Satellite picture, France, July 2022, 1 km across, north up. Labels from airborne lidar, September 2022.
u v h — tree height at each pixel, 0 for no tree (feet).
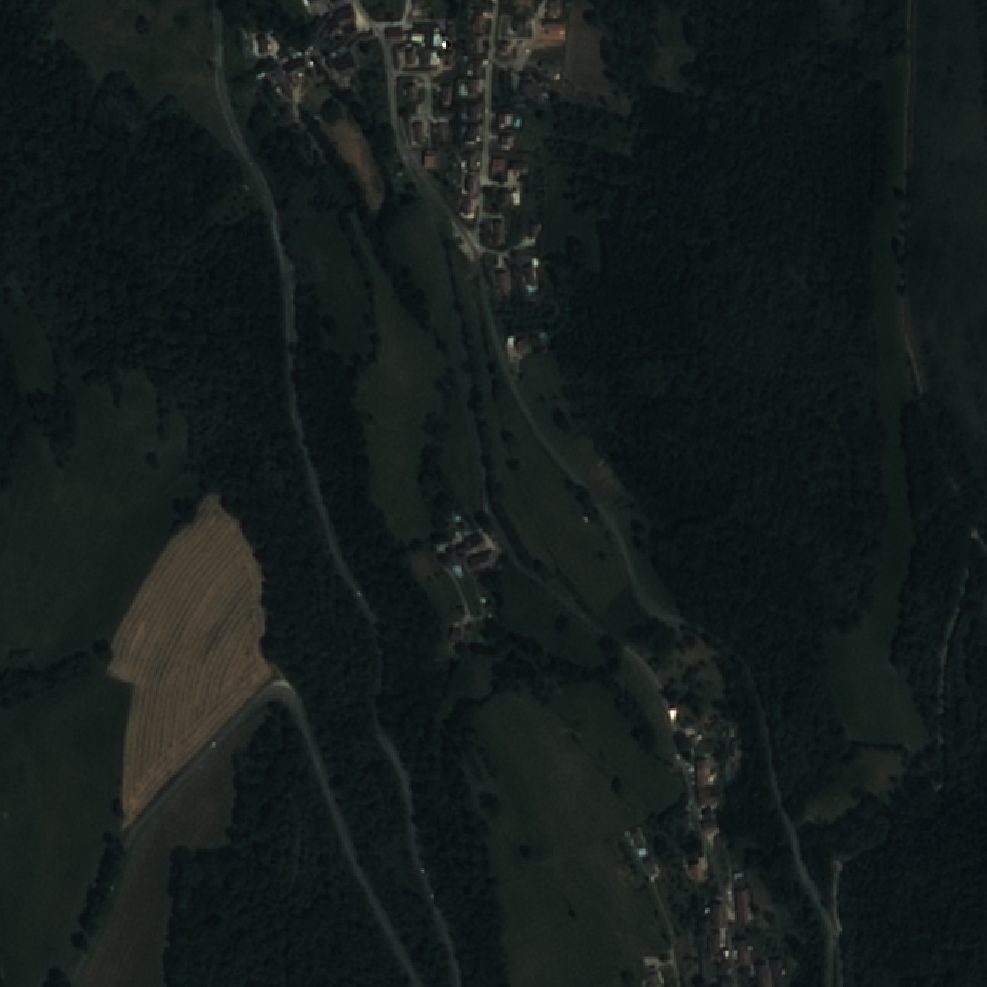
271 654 39
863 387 37
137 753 0
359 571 33
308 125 39
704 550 57
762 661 62
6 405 77
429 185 0
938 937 46
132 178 100
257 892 30
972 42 0
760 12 76
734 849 20
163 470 0
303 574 80
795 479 78
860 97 52
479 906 73
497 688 44
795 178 49
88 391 0
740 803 43
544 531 0
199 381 65
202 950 57
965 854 97
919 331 0
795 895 39
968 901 61
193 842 0
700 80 46
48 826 0
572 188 38
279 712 24
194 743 0
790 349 21
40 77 86
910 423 61
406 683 81
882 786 0
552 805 0
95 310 34
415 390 0
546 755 0
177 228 64
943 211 0
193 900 63
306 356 81
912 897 62
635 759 0
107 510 0
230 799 0
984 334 0
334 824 20
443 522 23
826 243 63
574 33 0
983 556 40
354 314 0
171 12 0
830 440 29
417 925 72
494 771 52
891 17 58
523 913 0
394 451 0
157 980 0
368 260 37
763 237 38
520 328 20
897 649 43
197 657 0
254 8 58
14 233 28
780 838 66
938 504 60
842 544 24
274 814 68
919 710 29
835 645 0
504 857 0
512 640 33
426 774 70
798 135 64
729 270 29
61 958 0
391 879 93
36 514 0
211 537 0
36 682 27
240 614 0
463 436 0
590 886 0
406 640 68
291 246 47
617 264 59
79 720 0
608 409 30
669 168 78
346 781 69
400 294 42
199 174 28
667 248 42
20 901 0
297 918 59
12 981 0
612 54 70
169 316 35
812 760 29
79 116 81
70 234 74
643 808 0
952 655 32
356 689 65
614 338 40
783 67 24
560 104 20
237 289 49
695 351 34
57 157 57
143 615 0
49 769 0
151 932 0
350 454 31
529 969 0
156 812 0
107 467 0
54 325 33
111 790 0
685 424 80
